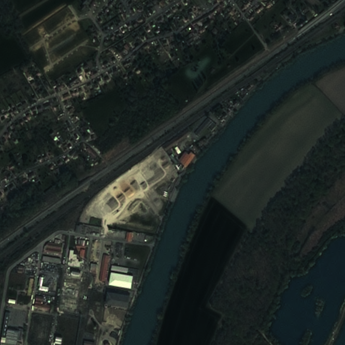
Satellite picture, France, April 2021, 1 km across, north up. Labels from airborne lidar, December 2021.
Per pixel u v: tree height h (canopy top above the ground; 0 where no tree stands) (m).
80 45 0
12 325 0
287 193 21
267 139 0
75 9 0
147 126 0
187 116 0
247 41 0
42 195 9
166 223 7
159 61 0
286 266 9
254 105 0
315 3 0
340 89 0
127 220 0
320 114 0
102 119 0
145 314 0
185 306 0
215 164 0
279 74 0
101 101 0
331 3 20
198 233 0
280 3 0
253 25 7
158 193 0
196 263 0
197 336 0
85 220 0
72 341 0
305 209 20
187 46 8
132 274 0
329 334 0
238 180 0
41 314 0
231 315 20
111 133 0
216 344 16
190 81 0
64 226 0
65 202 0
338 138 21
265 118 14
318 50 0
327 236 12
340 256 0
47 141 14
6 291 0
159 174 0
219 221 0
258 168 0
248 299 24
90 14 0
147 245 0
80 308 0
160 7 0
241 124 0
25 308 0
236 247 0
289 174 0
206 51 0
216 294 12
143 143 0
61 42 0
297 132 0
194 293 0
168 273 0
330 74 0
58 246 0
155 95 0
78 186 0
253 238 17
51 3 0
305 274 0
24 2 0
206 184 0
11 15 16
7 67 0
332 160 23
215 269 0
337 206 0
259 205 0
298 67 0
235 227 0
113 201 0
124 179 0
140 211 0
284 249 14
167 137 0
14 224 21
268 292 22
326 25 0
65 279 0
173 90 0
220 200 0
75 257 0
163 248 0
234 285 22
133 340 0
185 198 0
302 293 6
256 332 19
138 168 0
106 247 0
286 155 0
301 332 0
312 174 21
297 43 0
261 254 23
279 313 0
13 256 6
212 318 0
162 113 0
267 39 0
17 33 12
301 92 0
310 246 0
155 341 13
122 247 0
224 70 0
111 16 0
